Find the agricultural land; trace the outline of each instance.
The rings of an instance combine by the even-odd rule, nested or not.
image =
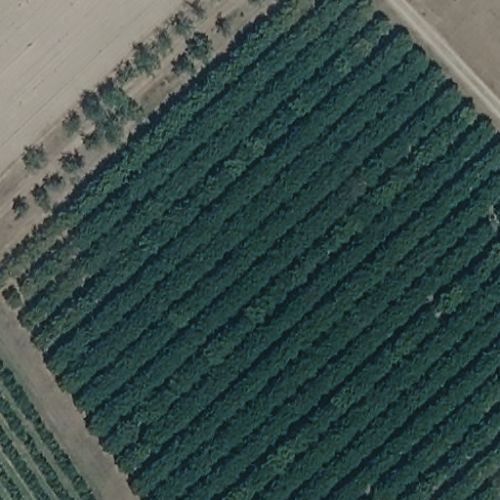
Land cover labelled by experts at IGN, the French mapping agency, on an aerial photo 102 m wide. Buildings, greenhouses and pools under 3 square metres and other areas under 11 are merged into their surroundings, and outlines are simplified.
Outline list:
[[[162,25],[162,21],[174,18],[184,0],[0,0],[0,168],[4,168],[10,160],[23,156],[25,148],[31,146],[39,139],[41,129],[47,123],[53,123],[57,119],[64,121],[68,113],[80,104],[84,92],[98,90],[98,86],[109,78],[117,74],[119,62],[133,59],[135,53],[143,55],[146,53],[146,43],[152,43],[158,37],[158,27]]]
[[[500,0],[406,0],[500,98]]]

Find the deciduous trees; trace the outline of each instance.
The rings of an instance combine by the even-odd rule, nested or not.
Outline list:
[[[41,168],[47,162],[43,148],[31,146],[25,148],[23,156],[25,166],[31,170]]]
[[[74,469],[68,453],[62,451],[59,441],[45,428],[41,414],[16,381],[14,371],[0,357],[0,500],[96,500],[84,477],[78,475],[78,471]]]
[[[408,496],[408,500],[430,500],[430,496],[445,480],[451,479],[471,457],[482,451],[500,432],[500,414],[496,414],[486,428],[480,428],[479,432],[475,432],[473,437],[467,439],[467,443],[461,447],[461,455],[449,459],[449,463],[439,471],[436,480],[420,484],[416,492]]]
[[[393,484],[387,484],[383,490],[375,494],[375,500],[395,500],[396,494],[406,488],[406,484],[418,479],[422,471],[434,465],[455,441],[461,439],[463,432],[471,424],[477,424],[482,420],[484,412],[488,412],[500,400],[500,385],[490,387],[488,393],[482,393],[479,398],[475,398],[473,404],[465,408],[461,420],[447,420],[445,434],[437,434],[436,439],[416,455],[416,461],[402,469],[402,475],[396,477]]]
[[[72,172],[78,166],[82,166],[82,156],[70,152],[62,156],[62,168]]]
[[[484,354],[477,371],[473,371],[465,381],[451,389],[451,393],[441,398],[437,406],[430,408],[426,416],[418,418],[412,430],[398,437],[391,449],[385,449],[385,453],[373,461],[371,469],[363,471],[350,486],[342,490],[338,500],[357,500],[363,494],[369,494],[371,486],[377,482],[381,473],[395,465],[396,461],[404,453],[408,453],[422,437],[428,436],[428,432],[437,422],[443,420],[443,416],[447,416],[457,404],[461,404],[465,396],[471,395],[500,365],[500,350]]]
[[[439,326],[439,316],[455,311],[455,307],[463,301],[471,303],[467,312],[457,320],[449,320],[447,328]],[[330,408],[316,414],[312,418],[312,424],[303,428],[295,439],[279,447],[277,455],[271,455],[268,463],[262,465],[260,475],[252,475],[230,500],[320,500],[330,492],[330,488],[338,480],[346,477],[361,463],[361,459],[365,459],[375,447],[379,447],[398,426],[402,426],[402,422],[418,406],[422,406],[439,387],[443,387],[449,377],[453,377],[461,367],[465,367],[480,348],[488,346],[490,340],[494,340],[500,334],[500,242],[492,248],[488,258],[480,264],[473,275],[465,277],[451,293],[441,295],[436,311],[426,312],[412,330],[404,332],[396,342],[395,350],[387,350],[375,365],[369,365],[359,377],[355,377],[352,385],[346,387],[330,402]]]
[[[125,145],[119,139],[119,133],[125,121],[143,125],[150,117],[150,111],[137,104],[133,98],[129,98],[123,88],[125,82],[129,82],[131,78],[141,76],[143,72],[148,74],[152,68],[160,64],[158,51],[166,53],[172,41],[170,37],[158,37],[152,43],[146,43],[146,53],[143,55],[135,53],[133,59],[119,62],[117,74],[109,78],[113,82],[113,90],[105,94],[100,102],[90,102],[84,109],[86,115],[94,121],[94,133],[86,135],[84,145],[94,148],[102,143],[109,143],[117,150]]]
[[[500,447],[494,449],[490,457],[482,459],[467,475],[467,479],[451,488],[441,500],[465,500],[479,488],[484,479],[488,479],[500,469]]]
[[[47,217],[51,217],[55,203],[49,199],[47,189],[62,182],[61,176],[53,174],[43,178],[39,186],[33,187],[33,197]]]
[[[195,55],[197,59],[201,59],[209,53],[209,37],[205,33],[195,33],[187,41],[184,53],[172,62],[174,72],[184,72],[189,57]]]
[[[189,133],[189,141],[176,145],[174,150],[170,150],[166,156],[160,156],[146,170],[143,168],[143,162],[154,150],[158,150],[170,137],[178,135],[195,111],[199,111],[215,94],[219,94],[227,82],[234,80],[242,72],[246,64],[258,59],[258,55],[271,41],[285,33],[314,6],[316,0],[293,0],[291,6],[283,8],[283,12],[275,16],[271,23],[264,23],[256,33],[252,33],[242,45],[242,49],[232,53],[232,59],[227,64],[211,72],[211,76],[199,90],[189,92],[186,104],[174,105],[170,113],[164,117],[164,121],[135,145],[133,152],[123,154],[123,160],[119,164],[105,170],[100,180],[86,187],[82,197],[78,199],[78,205],[72,205],[68,213],[61,213],[59,221],[47,232],[39,234],[37,242],[31,244],[18,260],[10,262],[8,270],[0,275],[0,291],[4,293],[8,287],[14,287],[16,293],[8,299],[8,303],[21,311],[25,307],[25,301],[29,301],[49,281],[53,281],[61,271],[66,271],[68,279],[62,281],[61,289],[43,299],[33,311],[21,318],[21,326],[25,326],[31,332],[61,305],[64,299],[68,299],[78,287],[82,287],[88,277],[92,277],[100,270],[107,273],[104,281],[98,283],[84,299],[80,299],[76,307],[66,309],[59,320],[53,322],[53,328],[49,332],[37,338],[31,336],[33,346],[41,350],[41,354],[45,354],[64,332],[68,332],[76,322],[80,322],[92,311],[113,287],[125,283],[150,254],[154,254],[164,242],[168,242],[168,238],[174,238],[174,248],[170,248],[160,262],[156,262],[145,271],[141,281],[131,291],[119,295],[111,305],[107,305],[105,311],[88,328],[80,330],[72,342],[68,342],[47,363],[62,391],[74,395],[78,391],[84,395],[74,404],[88,418],[92,418],[92,426],[88,428],[88,432],[100,439],[100,445],[113,455],[117,467],[129,477],[141,467],[145,459],[160,449],[160,445],[166,439],[184,430],[215,396],[229,387],[230,381],[236,379],[236,375],[242,369],[246,369],[270,346],[271,342],[275,342],[287,328],[291,328],[305,312],[311,311],[312,305],[336,285],[338,279],[342,279],[348,271],[354,270],[379,242],[385,240],[389,232],[402,225],[424,201],[428,201],[436,193],[439,187],[449,178],[453,178],[455,172],[467,160],[471,160],[471,156],[475,156],[498,131],[490,119],[488,123],[482,123],[479,131],[475,131],[467,139],[467,143],[459,148],[457,156],[451,158],[449,164],[441,164],[426,180],[418,180],[418,170],[430,164],[439,154],[443,154],[451,143],[455,143],[459,133],[473,125],[473,121],[480,113],[473,98],[463,96],[457,84],[451,90],[447,90],[441,98],[434,94],[437,86],[447,80],[441,66],[434,70],[428,66],[430,61],[436,61],[436,55],[428,47],[424,49],[420,45],[418,35],[410,31],[406,35],[396,37],[395,43],[383,51],[377,43],[395,25],[389,18],[379,21],[373,16],[379,10],[373,6],[373,0],[330,0],[322,6],[320,16],[314,16],[312,20],[307,21],[299,33],[295,33],[289,39],[289,43],[283,43],[279,51],[273,51],[268,61],[262,62],[254,72],[250,72],[250,76],[236,88],[236,92],[230,92],[225,100],[221,100],[217,107],[213,107],[203,117],[201,123],[197,123],[193,133]],[[273,143],[277,137],[281,137],[287,131],[289,123],[293,123],[297,117],[305,113],[309,113],[311,123],[301,127],[289,143],[285,143],[268,158],[264,154],[266,146]],[[70,242],[70,246],[61,250],[59,258],[47,262],[35,273],[33,279],[27,281],[27,285],[20,285],[18,279],[21,273],[29,270],[31,264],[37,262],[55,242],[66,238],[68,230],[80,219],[84,219],[84,215],[90,213],[98,203],[102,203],[109,191],[121,186],[123,178],[127,178],[133,170],[139,172],[139,180],[133,182],[131,189],[121,199],[111,201],[105,207],[104,213],[96,217],[94,223],[88,223],[86,229]],[[328,256],[336,252],[344,242],[348,242],[355,232],[359,234],[359,246],[346,252],[330,271],[322,273],[312,283],[311,289],[305,295],[291,303],[291,307],[279,320],[275,320],[271,326],[266,326],[266,314],[270,314],[275,305],[279,305],[287,297],[291,289],[305,283],[307,275],[320,262],[326,262]],[[100,242],[98,256],[86,260],[86,264],[82,264],[80,268],[72,268],[70,262],[76,260],[80,252],[88,250],[88,246],[94,240]]]
[[[195,436],[186,436],[184,443],[176,441],[170,453],[156,461],[152,469],[143,475],[143,479],[137,480],[131,486],[133,494],[137,494],[139,500],[211,500],[225,486],[238,479],[238,475],[252,461],[256,461],[277,437],[283,436],[293,422],[307,414],[311,406],[318,404],[322,395],[334,389],[355,365],[359,365],[365,357],[373,354],[377,346],[383,344],[387,338],[391,338],[396,328],[408,320],[408,316],[412,316],[428,301],[432,301],[434,293],[441,285],[445,285],[457,271],[465,268],[479,254],[482,246],[498,230],[488,225],[479,230],[479,234],[469,234],[467,229],[473,227],[482,217],[488,217],[486,207],[494,209],[500,201],[500,178],[492,184],[492,189],[484,189],[480,193],[479,201],[475,201],[473,207],[463,211],[459,217],[451,213],[451,209],[463,199],[467,199],[471,191],[479,186],[492,170],[500,168],[500,145],[496,146],[484,160],[480,160],[473,172],[465,174],[465,178],[457,186],[451,187],[449,195],[441,197],[437,207],[432,207],[426,217],[420,217],[410,230],[402,232],[402,236],[396,238],[395,244],[387,252],[379,254],[371,271],[361,271],[359,279],[348,283],[346,293],[338,295],[330,305],[316,312],[316,316],[305,322],[305,326],[295,336],[291,336],[279,348],[277,354],[271,355],[270,363],[264,363],[256,373],[244,379],[236,393],[232,393],[227,400],[219,404],[211,420],[201,422]]]

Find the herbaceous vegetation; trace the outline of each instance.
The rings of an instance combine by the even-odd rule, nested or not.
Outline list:
[[[439,471],[449,463],[449,459],[461,455],[461,447],[467,443],[467,439],[473,437],[475,432],[479,432],[480,428],[486,428],[496,414],[500,414],[500,400],[488,412],[484,412],[482,420],[477,424],[471,424],[463,432],[461,439],[455,441],[434,465],[422,471],[418,479],[406,484],[406,488],[396,494],[395,500],[408,500],[408,496],[416,492],[420,484],[436,480]]]
[[[98,256],[100,242],[94,240],[88,246],[88,250],[80,252],[76,260],[70,262],[72,268],[80,268],[82,264],[86,264],[86,260]]]
[[[330,488],[330,492],[320,500],[338,500],[342,490],[350,486],[363,471],[371,469],[373,461],[385,453],[385,449],[391,449],[398,437],[412,430],[418,418],[426,416],[430,408],[437,406],[441,398],[451,393],[451,389],[465,381],[473,371],[477,371],[484,354],[500,350],[500,334],[494,340],[490,340],[488,346],[480,348],[465,367],[461,367],[453,377],[449,377],[443,387],[439,387],[422,406],[418,406],[402,422],[402,426],[398,426],[379,447],[375,447],[365,459],[361,459],[361,463],[346,477],[338,480]]]
[[[430,61],[428,66],[434,70],[441,66],[447,80],[437,86],[434,94],[441,98],[447,90],[451,90],[457,84],[455,80],[451,80],[451,70],[445,64],[436,61]]]
[[[365,357],[359,365],[355,365],[334,389],[322,395],[318,404],[311,406],[307,414],[293,422],[283,436],[277,437],[256,461],[252,461],[238,475],[238,479],[225,486],[211,500],[230,500],[252,475],[260,475],[262,465],[268,463],[271,455],[277,455],[279,447],[295,439],[303,428],[312,424],[312,418],[316,414],[330,408],[330,402],[346,387],[352,385],[355,377],[359,377],[369,365],[375,365],[387,350],[395,350],[396,342],[404,332],[412,330],[426,312],[436,311],[441,295],[451,293],[465,277],[473,275],[480,264],[488,258],[492,248],[500,242],[500,201],[494,209],[486,207],[488,217],[482,217],[473,227],[467,229],[469,234],[479,234],[479,230],[488,225],[498,230],[482,246],[479,254],[465,268],[457,271],[445,285],[441,285],[434,293],[432,301],[428,301],[412,316],[408,316],[408,320],[396,328],[391,338],[387,338],[383,344],[377,346],[373,354]]]
[[[471,457],[451,479],[445,480],[430,496],[430,500],[441,500],[451,488],[467,479],[467,475],[482,459],[490,457],[494,449],[500,447],[500,432],[482,451]]]
[[[488,479],[484,479],[479,488],[465,500],[500,500],[500,469]]]
[[[8,299],[16,293],[14,287],[8,287],[4,293],[0,291],[0,357],[14,371],[16,381],[41,414],[45,428],[59,441],[62,451],[68,453],[74,469],[78,471],[78,475],[84,477],[96,500],[139,500],[137,494],[133,494],[131,486],[137,480],[143,479],[143,475],[152,469],[156,461],[170,453],[176,441],[184,443],[186,436],[195,436],[201,422],[211,420],[219,404],[227,400],[232,393],[236,393],[244,379],[256,373],[264,363],[270,363],[271,355],[277,354],[279,348],[291,336],[295,336],[305,326],[305,322],[316,316],[316,312],[330,305],[338,295],[346,293],[348,283],[359,279],[361,271],[371,271],[379,254],[387,252],[395,244],[396,238],[402,236],[402,232],[410,230],[420,217],[426,217],[432,207],[437,207],[441,197],[449,195],[451,187],[457,186],[465,178],[465,174],[473,172],[480,160],[484,160],[496,146],[500,145],[500,131],[498,131],[475,156],[471,156],[471,160],[467,160],[455,172],[453,178],[449,178],[439,187],[436,193],[428,201],[424,201],[402,225],[389,232],[385,240],[379,242],[354,270],[348,271],[342,279],[338,279],[336,285],[312,305],[311,311],[305,312],[291,328],[287,328],[275,342],[271,342],[270,346],[246,369],[242,369],[236,375],[236,379],[230,381],[229,387],[215,396],[184,430],[166,439],[160,445],[160,449],[145,459],[141,467],[129,477],[117,467],[113,455],[100,445],[100,439],[88,432],[88,428],[92,426],[92,418],[88,418],[74,404],[84,395],[78,391],[74,395],[62,391],[47,363],[68,342],[72,342],[80,330],[88,328],[105,311],[107,305],[111,305],[119,295],[131,291],[141,281],[145,271],[156,262],[160,262],[170,248],[174,248],[174,238],[168,238],[168,242],[164,242],[154,254],[150,254],[125,283],[113,287],[92,311],[80,322],[76,322],[68,332],[64,332],[45,354],[41,354],[41,350],[33,346],[31,336],[37,338],[49,332],[53,328],[53,322],[59,320],[66,309],[76,307],[80,299],[84,299],[98,283],[104,281],[107,273],[100,270],[92,277],[88,277],[82,287],[78,287],[68,299],[64,299],[61,305],[31,332],[25,326],[21,326],[21,318],[33,311],[43,299],[61,289],[62,281],[68,279],[66,271],[61,271],[53,281],[49,281],[29,301],[25,301],[25,307],[21,311],[8,303]]]
[[[232,53],[242,49],[242,45],[252,33],[256,33],[264,23],[271,23],[275,16],[283,12],[283,8],[291,6],[293,0],[184,0],[174,18],[162,21],[162,25],[158,27],[158,37],[170,37],[172,41],[166,53],[158,51],[160,64],[152,68],[148,74],[143,72],[141,76],[131,78],[129,82],[125,82],[123,88],[129,98],[133,98],[137,104],[150,111],[150,117],[143,125],[125,121],[119,133],[119,139],[125,145],[117,150],[109,143],[102,143],[94,148],[84,145],[86,135],[94,133],[94,121],[86,115],[84,109],[90,102],[100,102],[105,94],[113,90],[113,82],[109,78],[98,86],[98,90],[84,92],[80,104],[68,113],[64,121],[57,119],[53,123],[47,123],[41,129],[39,139],[31,146],[43,148],[47,162],[41,168],[31,170],[25,166],[23,156],[10,160],[4,168],[0,168],[0,275],[8,270],[10,262],[18,260],[31,244],[37,242],[39,234],[47,232],[59,221],[61,213],[68,213],[72,205],[78,205],[78,199],[82,197],[86,187],[100,180],[105,170],[119,164],[123,160],[123,154],[133,152],[135,145],[164,121],[164,117],[170,113],[174,105],[186,104],[189,92],[199,90],[211,76],[211,72],[227,64],[232,59]],[[209,53],[201,59],[197,59],[195,55],[189,57],[184,72],[174,72],[172,62],[184,53],[187,41],[195,33],[205,33],[209,37]],[[70,152],[82,156],[82,166],[78,166],[72,172],[62,168],[62,156]],[[62,182],[47,189],[49,199],[55,203],[51,217],[47,217],[33,197],[33,187],[39,186],[43,178],[53,174],[61,176]]]
[[[463,301],[455,307],[455,311],[439,316],[439,326],[447,328],[449,320],[457,320],[467,312],[471,303]]]
[[[426,180],[441,164],[449,164],[451,158],[457,156],[459,148],[467,143],[467,139],[475,131],[479,131],[482,123],[488,123],[490,119],[490,115],[480,113],[473,121],[473,125],[459,133],[455,143],[451,143],[443,154],[439,154],[430,164],[418,170],[418,180]]]
[[[109,191],[102,203],[98,203],[90,213],[84,215],[84,219],[80,219],[68,230],[66,238],[55,242],[37,262],[31,264],[29,270],[21,273],[18,279],[20,285],[27,285],[27,281],[33,279],[35,273],[47,262],[59,258],[61,250],[70,246],[70,242],[86,229],[88,223],[94,223],[96,217],[104,213],[105,207],[111,201],[121,199],[131,189],[133,182],[139,180],[139,172],[133,170],[127,178],[123,178],[121,186]]]
[[[301,127],[311,123],[309,113],[305,113],[297,117],[293,123],[289,123],[287,131],[281,137],[277,137],[273,143],[266,146],[264,154],[268,158],[285,143],[289,143]]]
[[[406,35],[410,31],[406,25],[402,25],[402,20],[398,18],[395,10],[389,8],[387,0],[373,0],[373,6],[379,10],[373,16],[379,21],[389,18],[395,25],[377,43],[383,51],[395,43],[396,37]]]
[[[203,117],[213,107],[217,107],[221,100],[225,100],[230,92],[236,92],[236,88],[250,76],[250,72],[254,72],[262,62],[268,61],[273,51],[279,51],[283,43],[289,43],[289,39],[295,33],[299,33],[307,21],[312,20],[314,16],[320,16],[322,6],[330,0],[316,0],[314,6],[285,33],[271,41],[258,55],[258,59],[246,64],[242,72],[234,80],[227,82],[219,94],[215,94],[199,111],[195,111],[178,135],[170,137],[158,150],[154,150],[143,162],[143,168],[146,170],[160,156],[166,156],[170,150],[174,150],[176,145],[189,141],[189,133],[193,133],[197,123],[201,123]]]
[[[307,275],[305,283],[291,289],[287,297],[279,305],[275,305],[270,314],[266,314],[266,326],[271,326],[275,320],[279,320],[291,307],[291,303],[305,295],[311,289],[312,283],[322,273],[330,271],[346,252],[359,246],[359,234],[355,232],[348,242],[344,242],[336,252],[328,256],[326,262],[320,262]]]
[[[475,201],[479,201],[480,193],[484,189],[492,189],[492,184],[500,178],[500,168],[492,170],[479,186],[471,191],[467,199],[463,199],[451,209],[451,213],[459,217],[463,211],[473,207]]]
[[[387,484],[393,484],[396,477],[402,475],[402,469],[416,461],[416,455],[436,439],[437,434],[445,434],[447,420],[461,420],[465,408],[473,404],[475,398],[479,398],[482,393],[488,393],[490,387],[500,385],[500,365],[471,395],[465,396],[461,404],[457,404],[447,416],[443,416],[443,420],[437,422],[428,432],[428,436],[422,437],[408,453],[404,453],[396,461],[395,465],[381,473],[377,482],[371,486],[369,494],[363,494],[357,500],[375,500],[375,494],[383,490]]]

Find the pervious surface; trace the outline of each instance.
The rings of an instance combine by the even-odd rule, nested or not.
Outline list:
[[[395,10],[398,18],[402,20],[402,25],[406,25],[410,31],[418,35],[420,45],[424,49],[428,47],[436,55],[436,61],[445,64],[451,70],[451,80],[455,80],[457,84],[463,96],[473,98],[480,113],[490,115],[490,119],[498,131],[500,131],[500,98],[406,0],[387,0],[389,8]]]

